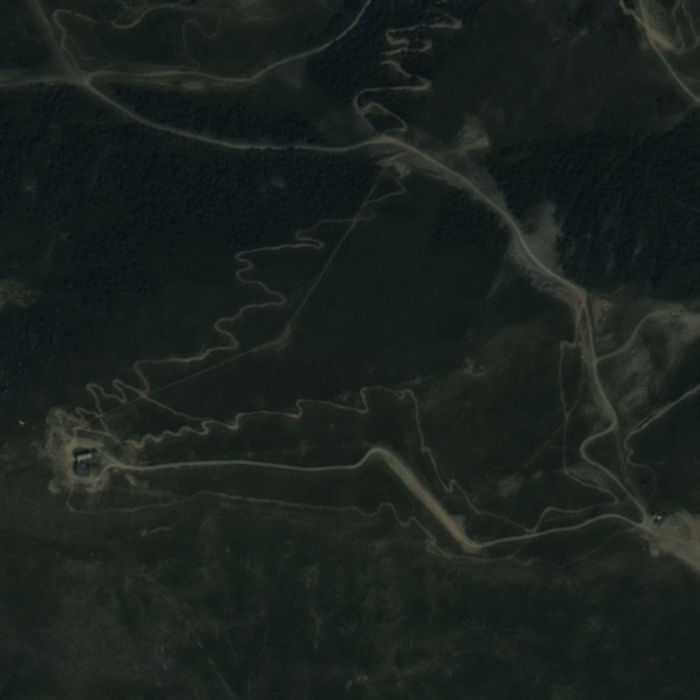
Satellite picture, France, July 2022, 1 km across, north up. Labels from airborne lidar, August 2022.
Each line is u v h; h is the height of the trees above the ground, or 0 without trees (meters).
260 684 0
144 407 0
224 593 0
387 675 0
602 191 7
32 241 0
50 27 0
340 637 0
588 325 0
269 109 0
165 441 0
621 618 0
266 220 6
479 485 0
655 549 0
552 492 0
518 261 0
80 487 0
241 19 0
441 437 0
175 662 0
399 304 0
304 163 6
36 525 0
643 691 0
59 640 0
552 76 0
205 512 0
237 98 0
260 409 0
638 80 0
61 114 6
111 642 0
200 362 0
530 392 0
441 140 0
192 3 6
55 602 0
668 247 9
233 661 0
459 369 0
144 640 0
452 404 0
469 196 9
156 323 0
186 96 0
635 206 9
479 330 0
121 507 0
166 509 0
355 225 0
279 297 0
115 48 0
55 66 0
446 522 0
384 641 0
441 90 0
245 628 0
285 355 0
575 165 7
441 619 0
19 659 0
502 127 0
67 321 0
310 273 0
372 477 0
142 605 0
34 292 0
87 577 0
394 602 0
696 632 0
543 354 0
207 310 0
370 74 8
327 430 0
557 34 0
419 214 0
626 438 0
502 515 0
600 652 0
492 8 0
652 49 0
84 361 0
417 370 0
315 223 0
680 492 0
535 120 0
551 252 0
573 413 0
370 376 0
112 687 0
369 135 0
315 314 0
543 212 0
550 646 0
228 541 0
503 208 0
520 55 0
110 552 0
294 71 0
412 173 0
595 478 0
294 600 0
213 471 0
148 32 0
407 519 0
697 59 0
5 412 0
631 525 0
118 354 0
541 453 0
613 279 0
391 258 0
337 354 0
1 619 0
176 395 0
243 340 0
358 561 0
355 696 0
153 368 0
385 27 9
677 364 0
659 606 0
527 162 8
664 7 0
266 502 0
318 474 0
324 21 0
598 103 0
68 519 0
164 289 0
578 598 0
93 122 0
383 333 0
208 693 0
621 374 0
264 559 0
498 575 0
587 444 0
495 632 0
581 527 0
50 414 0
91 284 7
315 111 0
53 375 0
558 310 0
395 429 0
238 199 7
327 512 0
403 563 0
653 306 0
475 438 0
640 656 0
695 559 0
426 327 0
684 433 0
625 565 0
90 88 0
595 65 0
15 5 0
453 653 0
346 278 0
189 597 0
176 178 7
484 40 0
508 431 0
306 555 0
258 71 0
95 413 0
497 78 0
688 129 10
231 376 0
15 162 6
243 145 0
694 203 7
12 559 0
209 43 0
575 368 0
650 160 12
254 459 0
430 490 0
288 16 0
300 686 0
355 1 10
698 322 0
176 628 0
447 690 0
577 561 0
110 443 0
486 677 0
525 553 0
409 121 0
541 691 0
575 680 0
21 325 0
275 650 0
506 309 0
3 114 7
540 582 0
